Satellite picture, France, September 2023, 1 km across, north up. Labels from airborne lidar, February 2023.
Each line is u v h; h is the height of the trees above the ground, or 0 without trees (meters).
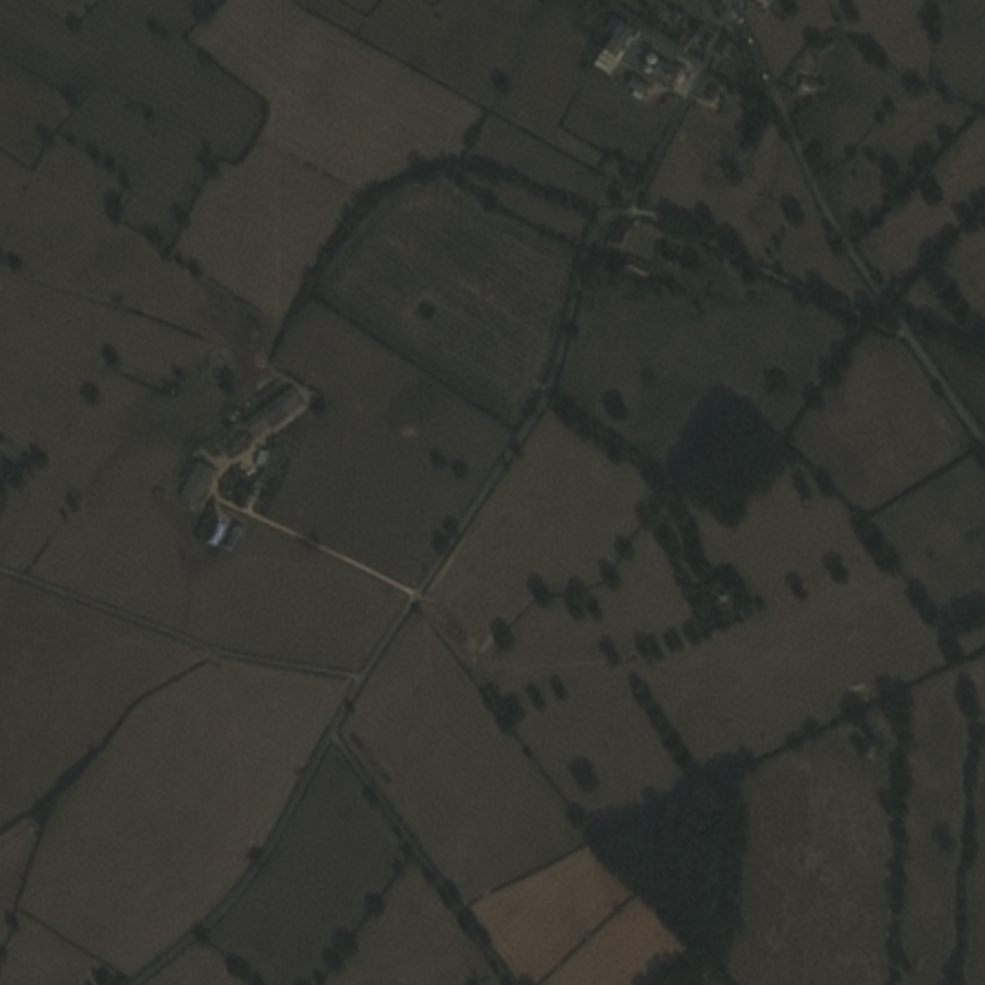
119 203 13
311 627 0
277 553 0
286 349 0
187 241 0
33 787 0
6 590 0
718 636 0
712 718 0
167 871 0
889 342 0
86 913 0
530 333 0
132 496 0
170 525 0
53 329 0
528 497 0
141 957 0
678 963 15
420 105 0
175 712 0
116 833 0
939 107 0
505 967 10
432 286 0
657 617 0
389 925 0
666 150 0
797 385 0
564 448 0
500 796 0
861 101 0
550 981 0
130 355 0
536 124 0
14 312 0
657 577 0
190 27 0
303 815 0
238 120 0
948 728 0
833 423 0
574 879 0
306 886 0
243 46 0
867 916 0
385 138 0
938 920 0
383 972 0
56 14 0
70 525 0
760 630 0
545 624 0
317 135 0
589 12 0
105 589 0
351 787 0
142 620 0
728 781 19
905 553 0
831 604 0
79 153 0
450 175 14
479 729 0
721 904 19
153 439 0
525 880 0
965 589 0
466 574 0
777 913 0
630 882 15
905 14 0
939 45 0
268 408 0
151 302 0
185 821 0
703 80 0
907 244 0
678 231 16
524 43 0
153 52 0
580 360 0
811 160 14
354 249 0
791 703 0
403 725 0
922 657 0
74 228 0
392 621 0
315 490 0
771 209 0
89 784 0
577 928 0
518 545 0
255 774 0
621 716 0
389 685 0
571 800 0
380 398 0
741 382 0
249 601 0
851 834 0
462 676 0
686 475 26
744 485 25
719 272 0
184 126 0
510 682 0
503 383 0
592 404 0
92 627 0
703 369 0
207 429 0
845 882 0
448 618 0
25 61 0
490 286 0
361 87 0
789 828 0
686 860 22
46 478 0
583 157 0
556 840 0
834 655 0
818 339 0
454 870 0
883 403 0
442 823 0
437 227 0
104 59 0
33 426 0
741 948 0
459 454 0
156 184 0
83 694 0
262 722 0
